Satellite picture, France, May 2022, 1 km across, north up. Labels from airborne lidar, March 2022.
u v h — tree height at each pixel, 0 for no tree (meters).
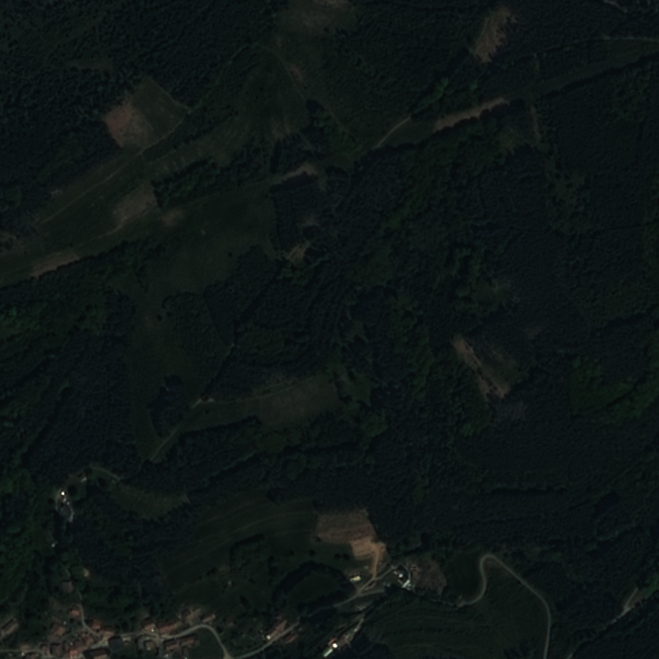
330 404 0
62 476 27
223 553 0
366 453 15
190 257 0
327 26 0
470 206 26
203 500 24
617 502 29
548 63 15
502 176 28
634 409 25
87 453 28
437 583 18
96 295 15
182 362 0
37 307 18
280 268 24
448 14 8
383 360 38
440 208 17
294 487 25
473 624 0
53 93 9
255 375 16
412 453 32
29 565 28
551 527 32
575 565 29
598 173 12
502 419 21
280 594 20
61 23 7
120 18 12
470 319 11
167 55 8
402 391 35
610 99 16
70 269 10
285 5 20
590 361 17
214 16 11
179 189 17
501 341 28
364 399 0
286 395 0
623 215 15
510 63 26
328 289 28
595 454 17
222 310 13
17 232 18
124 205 0
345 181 26
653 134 19
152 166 0
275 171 19
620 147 9
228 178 11
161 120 0
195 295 8
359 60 10
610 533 24
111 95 14
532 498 29
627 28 21
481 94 25
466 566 0
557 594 18
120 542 23
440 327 14
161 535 27
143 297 0
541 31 26
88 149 24
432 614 0
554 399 17
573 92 15
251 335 24
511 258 29
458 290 28
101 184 0
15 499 29
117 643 0
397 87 6
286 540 0
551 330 27
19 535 30
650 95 21
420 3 13
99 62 0
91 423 29
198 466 21
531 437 17
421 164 20
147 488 19
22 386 26
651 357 27
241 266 9
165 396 24
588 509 18
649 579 22
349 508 27
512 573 0
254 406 0
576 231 10
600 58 21
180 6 13
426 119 21
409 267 25
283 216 17
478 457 16
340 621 9
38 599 0
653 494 8
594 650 12
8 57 7
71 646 0
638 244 12
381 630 0
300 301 24
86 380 33
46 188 23
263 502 0
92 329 29
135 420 0
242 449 24
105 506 26
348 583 24
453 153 19
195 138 9
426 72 10
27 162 22
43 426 9
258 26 12
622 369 24
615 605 30
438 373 13
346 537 0
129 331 13
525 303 29
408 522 30
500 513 27
